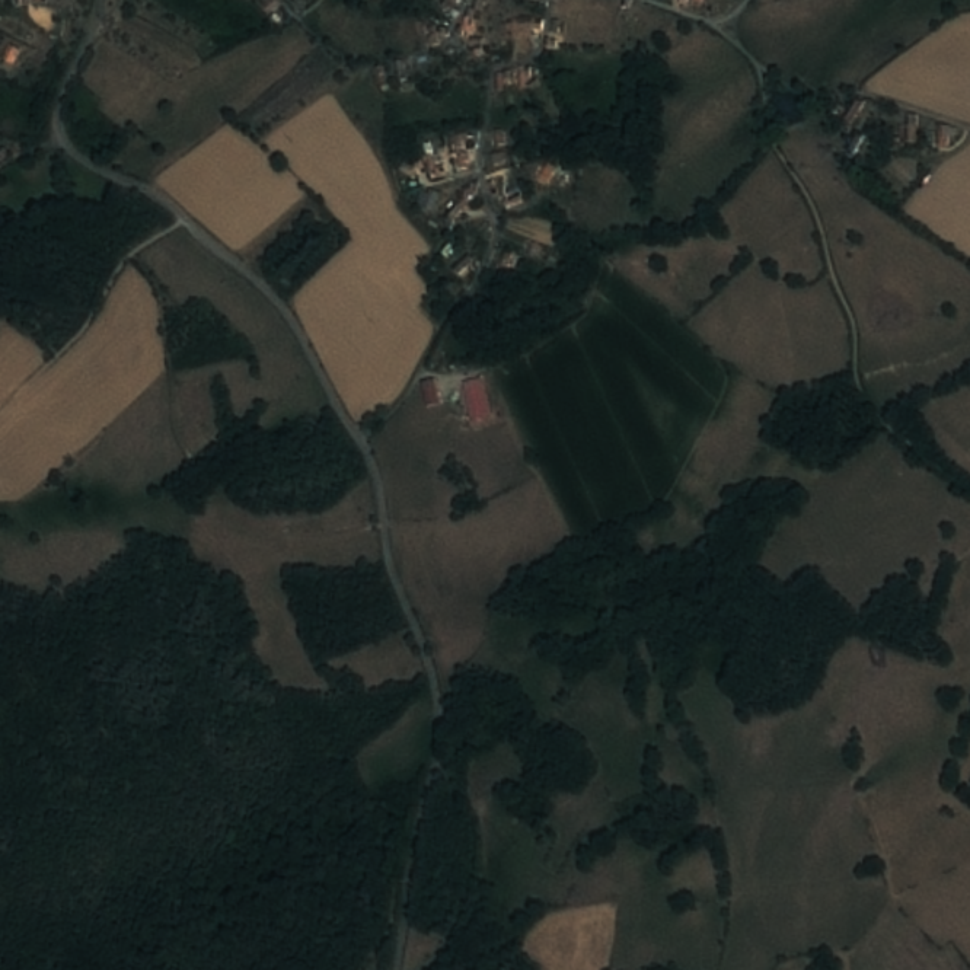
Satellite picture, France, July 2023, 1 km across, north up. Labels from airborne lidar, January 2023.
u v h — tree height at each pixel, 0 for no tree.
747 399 0
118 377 0
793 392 15
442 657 0
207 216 0
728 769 0
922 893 0
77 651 16
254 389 0
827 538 0
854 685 0
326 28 0
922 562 9
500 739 12
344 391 0
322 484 16
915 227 11
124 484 0
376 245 0
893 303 0
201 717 11
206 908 22
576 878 0
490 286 10
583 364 0
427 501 0
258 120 0
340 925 23
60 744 9
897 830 0
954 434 0
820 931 0
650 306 0
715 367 0
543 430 0
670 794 24
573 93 0
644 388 0
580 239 22
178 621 12
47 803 11
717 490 0
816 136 0
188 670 14
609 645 16
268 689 13
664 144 9
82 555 0
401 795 7
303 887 24
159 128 0
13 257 23
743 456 0
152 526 0
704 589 14
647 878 0
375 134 0
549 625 21
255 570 0
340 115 0
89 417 0
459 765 21
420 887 18
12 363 0
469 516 12
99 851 12
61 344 8
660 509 13
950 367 0
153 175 0
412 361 0
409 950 0
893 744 0
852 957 0
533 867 0
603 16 0
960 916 0
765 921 0
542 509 0
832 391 18
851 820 0
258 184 0
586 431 0
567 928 0
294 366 0
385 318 0
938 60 0
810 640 16
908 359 0
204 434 0
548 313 22
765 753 0
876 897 0
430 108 0
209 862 17
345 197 0
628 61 13
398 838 23
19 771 15
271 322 0
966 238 0
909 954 0
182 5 0
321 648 22
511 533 0
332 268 0
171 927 17
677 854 19
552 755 18
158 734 13
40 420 0
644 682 19
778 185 0
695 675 17
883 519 0
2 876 10
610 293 0
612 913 0
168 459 0
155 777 10
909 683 0
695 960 0
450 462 7
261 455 20
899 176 0
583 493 0
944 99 0
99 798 14
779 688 14
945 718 0
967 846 0
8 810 12
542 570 20
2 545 0
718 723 0
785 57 0
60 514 0
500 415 0
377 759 0
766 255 0
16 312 13
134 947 22
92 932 16
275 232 0
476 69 6
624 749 0
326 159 0
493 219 0
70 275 14
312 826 11
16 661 12
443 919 21
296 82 0
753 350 0
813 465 15
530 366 0
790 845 0
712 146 0
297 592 18
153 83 0
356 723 13
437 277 9
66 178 23
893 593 14
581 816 0
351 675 15
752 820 0
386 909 20
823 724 0
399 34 0
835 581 0
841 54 0
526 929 15
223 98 0
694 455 0
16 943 15
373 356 0
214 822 13
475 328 26
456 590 0
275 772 17
